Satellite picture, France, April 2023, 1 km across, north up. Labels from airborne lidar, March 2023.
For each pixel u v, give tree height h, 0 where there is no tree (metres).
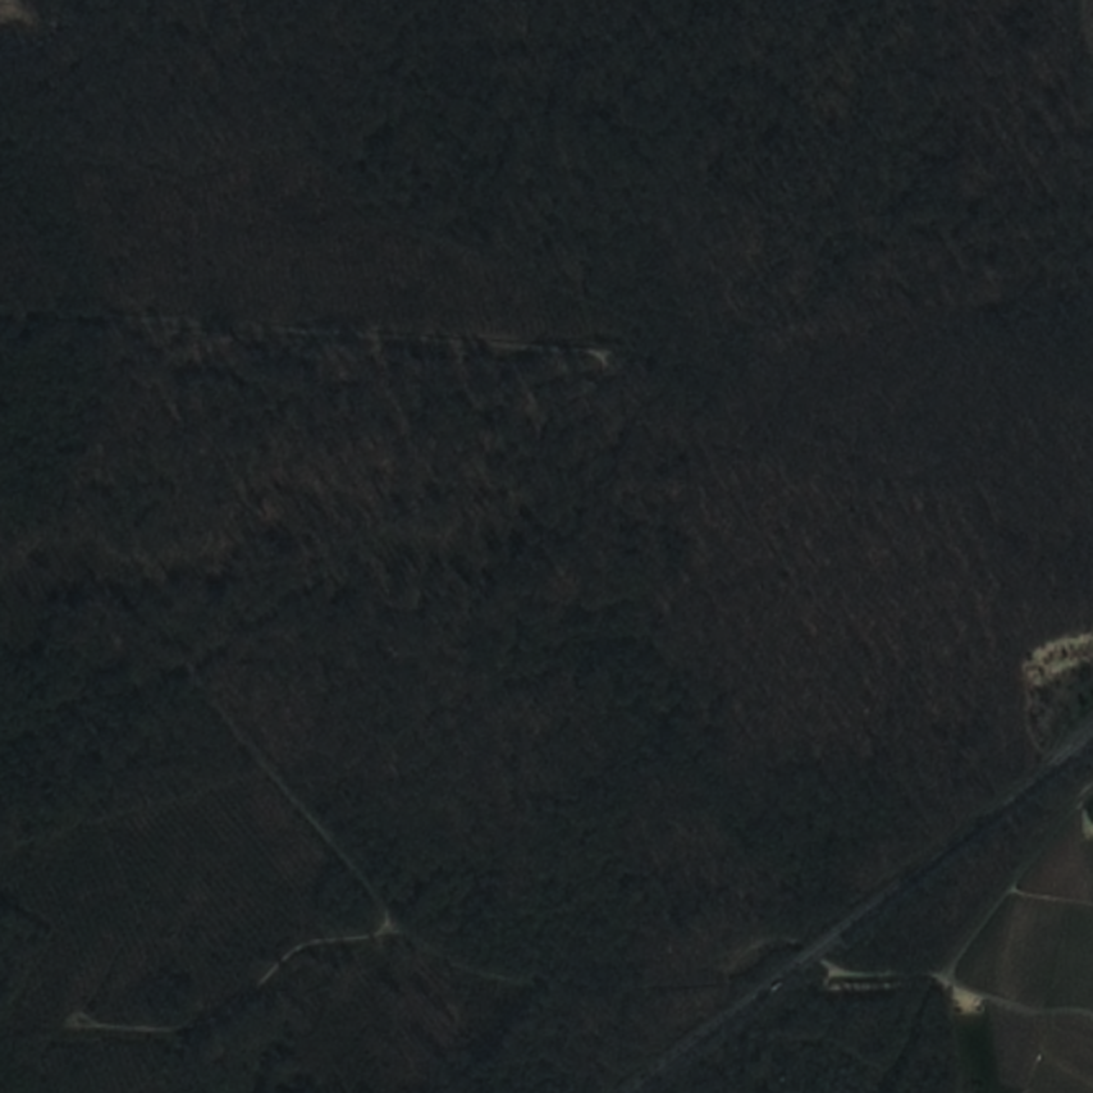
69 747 24
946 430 21
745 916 24
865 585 25
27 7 16
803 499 24
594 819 27
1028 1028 0
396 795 26
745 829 25
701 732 23
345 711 26
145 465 28
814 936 11
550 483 27
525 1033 18
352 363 28
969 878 24
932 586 27
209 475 31
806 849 23
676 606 26
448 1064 28
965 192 24
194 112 24
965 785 26
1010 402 23
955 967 0
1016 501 20
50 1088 8
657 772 25
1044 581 24
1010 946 0
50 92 25
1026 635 21
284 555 27
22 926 23
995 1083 0
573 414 28
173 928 6
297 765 22
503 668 26
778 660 25
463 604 28
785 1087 6
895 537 23
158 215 10
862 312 23
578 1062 24
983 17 27
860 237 25
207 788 18
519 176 27
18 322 22
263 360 21
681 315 24
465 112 24
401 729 26
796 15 23
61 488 28
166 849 6
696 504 24
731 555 30
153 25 24
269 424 30
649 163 25
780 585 27
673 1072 16
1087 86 20
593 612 23
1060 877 0
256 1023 26
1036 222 25
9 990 23
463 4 13
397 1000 31
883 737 24
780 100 28
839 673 24
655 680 24
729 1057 20
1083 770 15
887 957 22
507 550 26
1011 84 24
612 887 22
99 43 28
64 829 24
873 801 23
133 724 19
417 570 31
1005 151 25
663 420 26
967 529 26
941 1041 23
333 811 28
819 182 24
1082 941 0
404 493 7
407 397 27
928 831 25
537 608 26
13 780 25
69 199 9
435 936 20
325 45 28
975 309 23
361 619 31
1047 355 23
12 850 25
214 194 9
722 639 24
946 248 25
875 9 26
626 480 26
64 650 18
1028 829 28
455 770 29
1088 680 6
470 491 29
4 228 15
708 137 30
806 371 20
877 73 26
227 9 25
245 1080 28
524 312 11
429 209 23
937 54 24
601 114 23
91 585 27
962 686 23
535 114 25
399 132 20
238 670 27
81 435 28
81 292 16
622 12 24
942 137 22
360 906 24
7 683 20
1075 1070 0
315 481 30
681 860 24
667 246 26
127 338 25
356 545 21
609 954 23
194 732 24
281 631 27
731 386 18
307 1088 24
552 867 17
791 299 24
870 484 28
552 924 22
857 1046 19
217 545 26
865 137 26
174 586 25
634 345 9
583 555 29
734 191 25
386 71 25
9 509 24
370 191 24
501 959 19
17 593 0
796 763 23
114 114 22
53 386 27
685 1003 26
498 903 27
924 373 23
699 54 26
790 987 16
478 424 24
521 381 26
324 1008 0
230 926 6
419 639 31
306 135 26
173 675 17
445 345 0
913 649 23
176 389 24
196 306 10
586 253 20
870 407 23
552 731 28
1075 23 17
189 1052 16
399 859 24
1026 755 17
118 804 20
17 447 25
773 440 23
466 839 32
